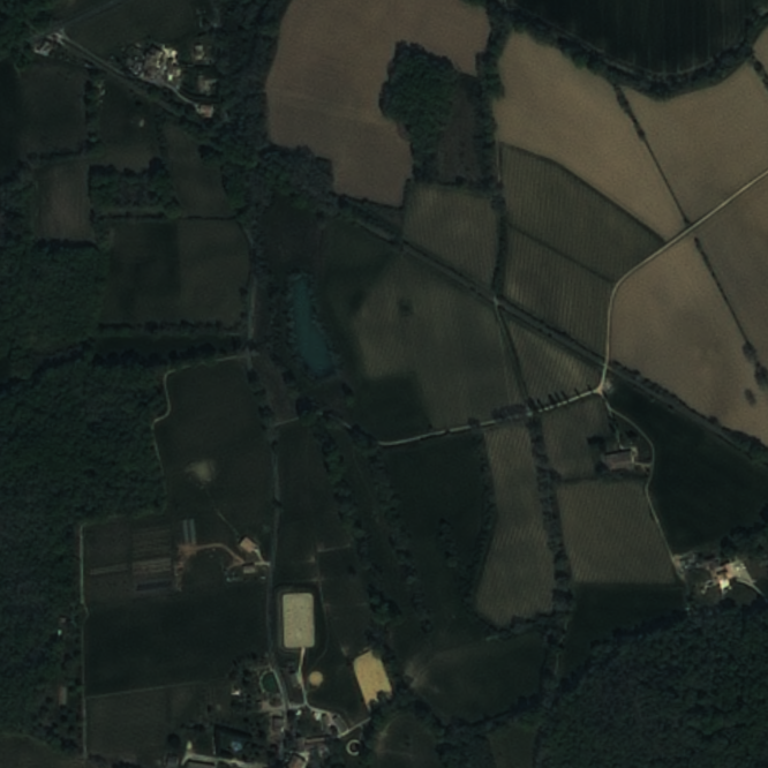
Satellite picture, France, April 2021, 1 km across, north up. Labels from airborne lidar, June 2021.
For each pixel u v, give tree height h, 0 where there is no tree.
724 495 0
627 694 16
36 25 14
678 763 20
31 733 13
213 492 0
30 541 16
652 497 0
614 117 0
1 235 16
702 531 0
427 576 0
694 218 0
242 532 0
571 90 0
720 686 22
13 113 0
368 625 0
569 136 0
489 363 0
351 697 0
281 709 0
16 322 18
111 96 0
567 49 20
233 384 0
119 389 17
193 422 0
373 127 0
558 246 0
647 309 0
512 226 0
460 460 0
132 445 28
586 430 0
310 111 0
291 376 9
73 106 0
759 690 21
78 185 0
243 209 13
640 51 0
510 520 0
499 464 0
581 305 0
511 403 0
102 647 0
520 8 0
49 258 21
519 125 0
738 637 23
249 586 0
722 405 0
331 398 0
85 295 19
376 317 0
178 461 0
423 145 19
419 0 0
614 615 0
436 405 0
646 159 0
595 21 0
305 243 0
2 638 15
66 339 8
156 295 0
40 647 18
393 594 0
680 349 0
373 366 0
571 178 0
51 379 18
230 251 0
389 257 0
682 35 0
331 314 0
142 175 8
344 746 17
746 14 0
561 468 0
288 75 0
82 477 17
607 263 0
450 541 6
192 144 0
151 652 0
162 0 0
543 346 0
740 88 0
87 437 20
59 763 0
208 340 0
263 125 19
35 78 0
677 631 20
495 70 21
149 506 21
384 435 0
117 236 0
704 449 0
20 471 20
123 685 0
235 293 0
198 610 0
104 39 0
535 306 0
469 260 0
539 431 19
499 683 0
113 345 0
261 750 6
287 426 0
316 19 0
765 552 9
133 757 0
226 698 0
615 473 9
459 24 0
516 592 0
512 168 0
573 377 0
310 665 0
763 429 0
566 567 12
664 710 18
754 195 0
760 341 0
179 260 0
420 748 0
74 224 0
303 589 0
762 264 0
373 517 0
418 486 0
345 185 0
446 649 0
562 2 0
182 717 0
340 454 21
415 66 22
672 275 0
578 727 9
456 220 0
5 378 0
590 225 0
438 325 0
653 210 0
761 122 0
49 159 6
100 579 0
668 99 20
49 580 20
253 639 0
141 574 0
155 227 0
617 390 0
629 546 0
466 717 0
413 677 0
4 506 16
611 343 0
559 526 15
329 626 0
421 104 25
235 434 0
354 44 0
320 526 0
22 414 23
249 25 12
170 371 16
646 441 0
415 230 0
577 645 0
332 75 0
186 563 0
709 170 0
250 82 21
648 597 0
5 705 14
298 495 0
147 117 0
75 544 17
